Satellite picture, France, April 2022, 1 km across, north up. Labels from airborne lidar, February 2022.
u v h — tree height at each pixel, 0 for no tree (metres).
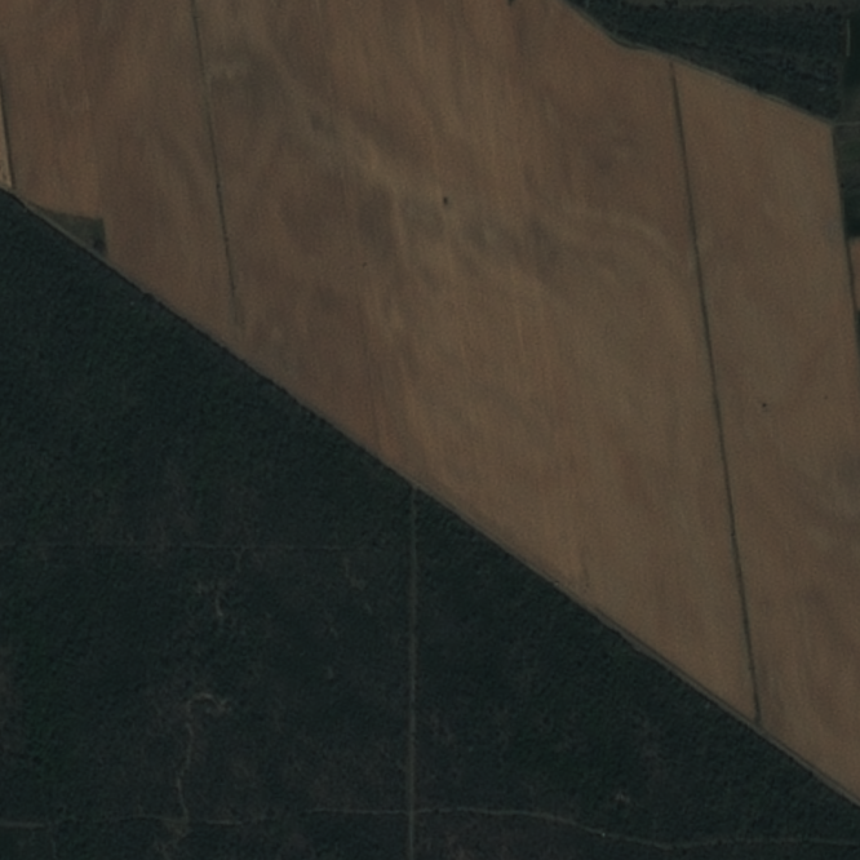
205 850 10
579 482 0
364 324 0
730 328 0
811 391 0
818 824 7
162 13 0
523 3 0
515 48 0
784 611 0
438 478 0
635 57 0
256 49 0
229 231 0
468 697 7
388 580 8
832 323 0
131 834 7
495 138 0
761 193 0
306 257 0
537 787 11
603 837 7
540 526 0
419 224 0
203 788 10
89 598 7
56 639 8
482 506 0
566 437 0
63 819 11
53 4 0
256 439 14
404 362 0
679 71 0
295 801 6
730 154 0
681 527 0
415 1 0
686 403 0
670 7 12
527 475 0
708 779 13
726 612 0
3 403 9
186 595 10
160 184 0
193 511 12
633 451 0
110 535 10
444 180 0
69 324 9
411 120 0
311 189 0
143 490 7
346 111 0
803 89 9
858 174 0
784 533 0
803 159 0
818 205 0
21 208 12
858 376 0
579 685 11
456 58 0
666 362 0
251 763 12
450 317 0
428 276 0
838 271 0
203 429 14
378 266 0
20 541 9
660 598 0
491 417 0
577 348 0
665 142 0
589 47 0
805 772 6
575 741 10
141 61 0
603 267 0
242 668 10
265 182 0
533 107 0
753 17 6
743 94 0
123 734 11
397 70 0
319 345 0
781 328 0
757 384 0
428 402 0
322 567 8
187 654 6
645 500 0
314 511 10
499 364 0
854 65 0
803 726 0
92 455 15
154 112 0
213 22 0
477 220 0
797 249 0
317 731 9
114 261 0
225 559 6
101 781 10
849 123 0
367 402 0
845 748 0
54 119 0
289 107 0
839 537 0
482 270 0
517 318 0
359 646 10
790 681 0
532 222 0
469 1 0
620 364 0
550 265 0
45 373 12
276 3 0
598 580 0
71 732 8
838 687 0
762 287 0
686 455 0
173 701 11
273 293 0
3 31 0
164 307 12
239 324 0
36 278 10
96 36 0
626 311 0
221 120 0
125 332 11
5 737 16
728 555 0
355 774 9
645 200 0
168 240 0
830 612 0
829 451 0
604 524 0
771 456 0
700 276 0
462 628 11
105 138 0
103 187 0
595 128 0
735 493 0
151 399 8
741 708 0
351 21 0
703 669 0
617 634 8
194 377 12
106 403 9
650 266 0
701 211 0
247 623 12
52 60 0
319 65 0
